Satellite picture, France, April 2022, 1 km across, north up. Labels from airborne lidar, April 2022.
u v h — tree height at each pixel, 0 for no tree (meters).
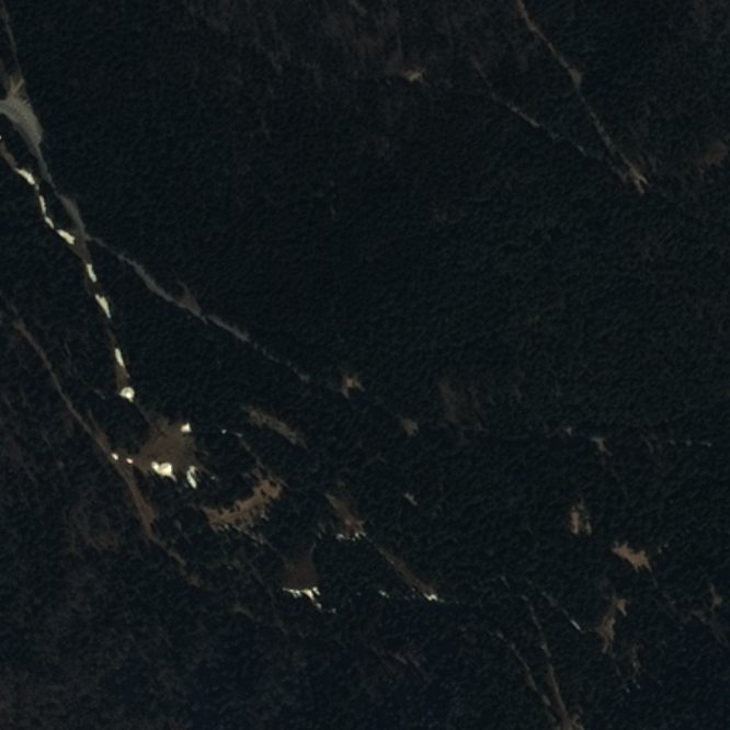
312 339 23
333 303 18
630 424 21
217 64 22
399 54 18
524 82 25
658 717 25
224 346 22
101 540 25
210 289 24
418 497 26
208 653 22
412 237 17
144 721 26
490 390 29
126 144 31
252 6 22
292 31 19
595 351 30
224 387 19
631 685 8
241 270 24
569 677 29
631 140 28
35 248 24
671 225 25
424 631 37
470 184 23
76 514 28
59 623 27
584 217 28
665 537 36
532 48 15
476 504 11
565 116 30
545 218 25
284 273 16
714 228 26
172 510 22
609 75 16
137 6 32
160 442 0
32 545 19
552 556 31
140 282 23
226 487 15
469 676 25
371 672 28
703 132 28
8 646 29
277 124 27
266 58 25
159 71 19
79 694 26
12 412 40
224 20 22
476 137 16
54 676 27
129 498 11
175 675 29
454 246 26
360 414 36
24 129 0
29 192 15
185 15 24
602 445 0
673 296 29
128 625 32
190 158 31
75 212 0
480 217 26
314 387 18
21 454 25
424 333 29
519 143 13
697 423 29
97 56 22
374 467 6
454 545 27
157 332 24
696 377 23
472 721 27
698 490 29
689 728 11
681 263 22
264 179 27
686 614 20
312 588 0
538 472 35
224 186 26
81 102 29
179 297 19
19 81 0
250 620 10
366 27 19
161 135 30
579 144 9
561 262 26
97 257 27
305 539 17
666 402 24
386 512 32
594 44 19
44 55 29
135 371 16
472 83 20
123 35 27
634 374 21
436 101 19
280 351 25
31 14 30
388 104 23
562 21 16
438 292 32
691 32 15
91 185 26
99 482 30
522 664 32
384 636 33
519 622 15
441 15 18
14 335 19
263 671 30
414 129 20
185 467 0
